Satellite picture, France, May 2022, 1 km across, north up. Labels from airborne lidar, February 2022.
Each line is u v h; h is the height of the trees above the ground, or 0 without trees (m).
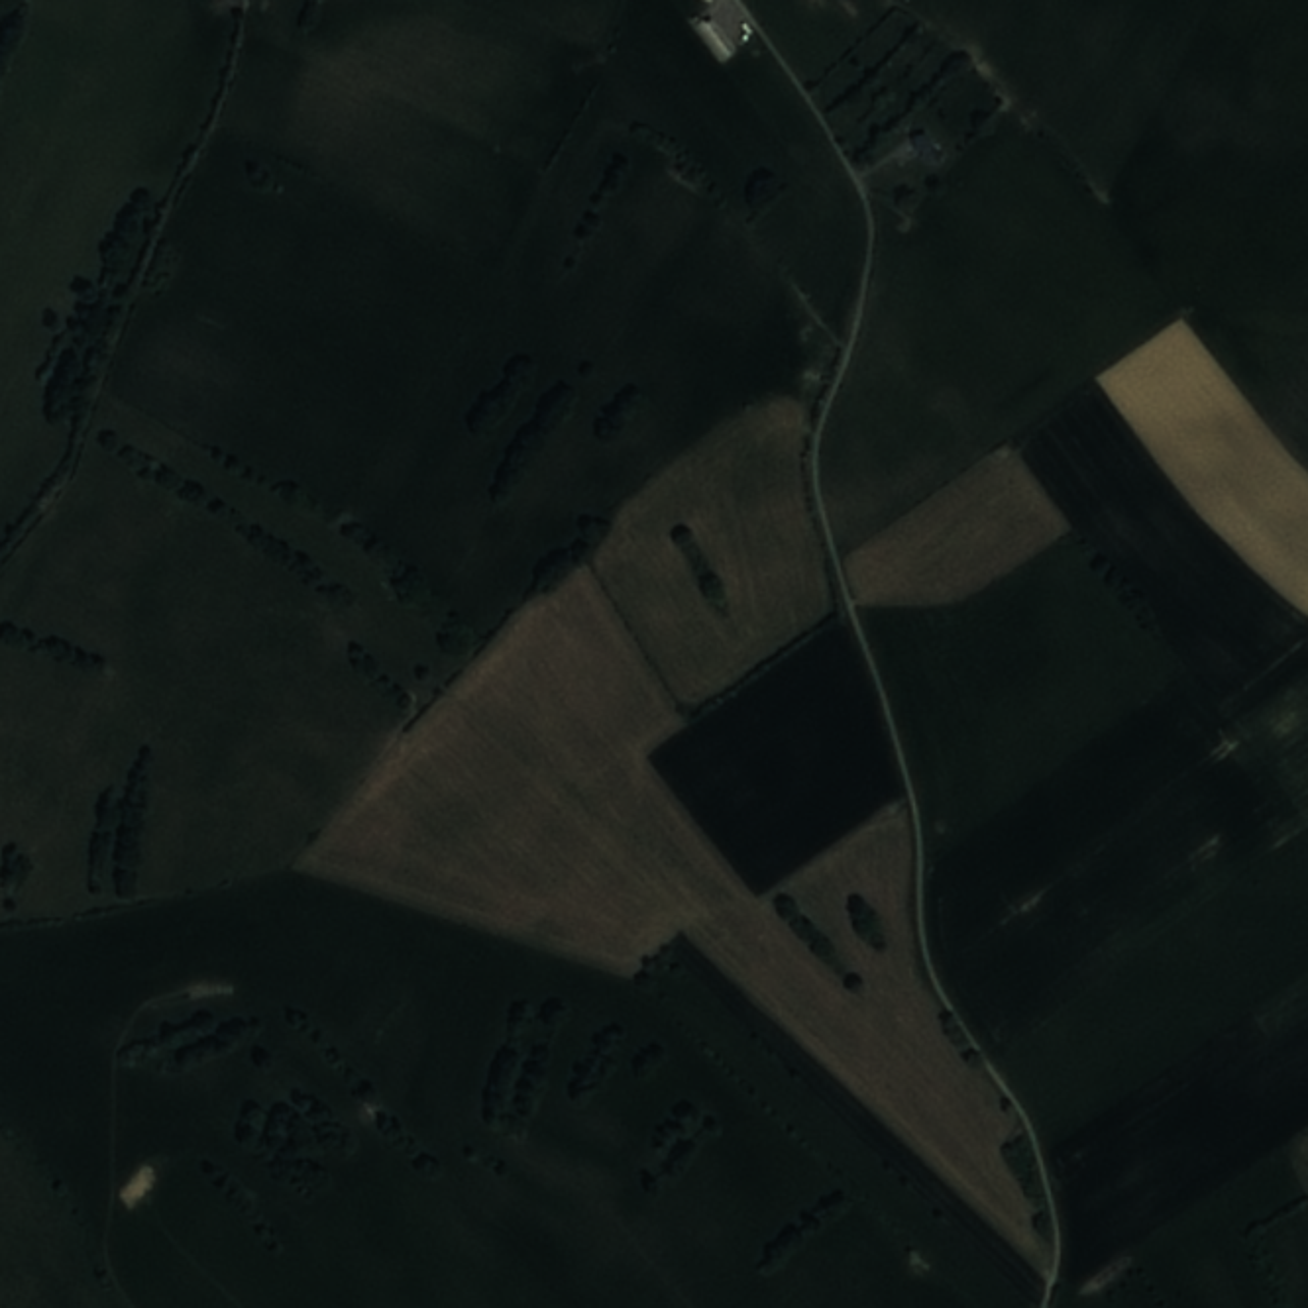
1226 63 0
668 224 0
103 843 10
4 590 0
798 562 0
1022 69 0
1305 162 0
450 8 0
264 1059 15
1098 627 0
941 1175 0
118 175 0
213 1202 0
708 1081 0
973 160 0
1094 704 0
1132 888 0
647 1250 0
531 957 0
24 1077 0
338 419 0
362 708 0
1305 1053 0
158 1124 0
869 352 0
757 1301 0
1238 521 0
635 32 0
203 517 0
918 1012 0
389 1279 0
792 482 0
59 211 0
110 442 9
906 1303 0
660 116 0
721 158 0
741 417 0
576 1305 0
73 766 0
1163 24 0
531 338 0
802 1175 0
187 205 0
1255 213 0
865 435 0
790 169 0
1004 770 0
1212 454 0
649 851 0
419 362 0
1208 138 0
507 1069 14
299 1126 18
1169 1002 0
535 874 0
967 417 0
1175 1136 0
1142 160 0
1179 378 0
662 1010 0
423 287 0
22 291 0
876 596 0
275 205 0
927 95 8
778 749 0
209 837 0
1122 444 0
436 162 0
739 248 0
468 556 0
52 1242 0
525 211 0
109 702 0
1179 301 0
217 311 0
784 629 0
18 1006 0
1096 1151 0
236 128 0
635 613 0
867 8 0
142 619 0
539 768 0
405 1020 0
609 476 0
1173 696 0
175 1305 0
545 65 0
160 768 0
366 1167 0
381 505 0
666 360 0
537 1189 0
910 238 0
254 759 0
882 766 0
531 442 15
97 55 0
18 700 0
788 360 0
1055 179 0
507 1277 0
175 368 0
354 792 0
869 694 0
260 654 0
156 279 6
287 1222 0
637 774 0
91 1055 0
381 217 0
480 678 0
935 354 0
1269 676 0
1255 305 0
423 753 0
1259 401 0
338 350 0
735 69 0
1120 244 0
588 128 0
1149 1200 0
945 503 0
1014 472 0
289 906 0
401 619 0
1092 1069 0
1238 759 0
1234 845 0
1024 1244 0
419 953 0
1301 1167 0
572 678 0
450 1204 0
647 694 0
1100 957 0
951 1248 0
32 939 0
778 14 0
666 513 0
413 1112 0
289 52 0
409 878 0
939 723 0
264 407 0
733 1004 0
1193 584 0
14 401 0
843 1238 0
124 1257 0
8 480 0
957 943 0
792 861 0
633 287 0
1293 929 0
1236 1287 0
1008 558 0
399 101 0
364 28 0
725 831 0
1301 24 0
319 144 0
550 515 0
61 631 0
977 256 0
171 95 0
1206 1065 0
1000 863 0
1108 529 0
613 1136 0
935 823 0
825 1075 0
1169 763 0
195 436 0
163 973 0
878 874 0
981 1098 0
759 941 0
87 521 0
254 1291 0
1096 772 0
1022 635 0
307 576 11
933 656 0
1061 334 0
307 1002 0
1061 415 0
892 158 0
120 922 0
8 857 8
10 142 0
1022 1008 0
